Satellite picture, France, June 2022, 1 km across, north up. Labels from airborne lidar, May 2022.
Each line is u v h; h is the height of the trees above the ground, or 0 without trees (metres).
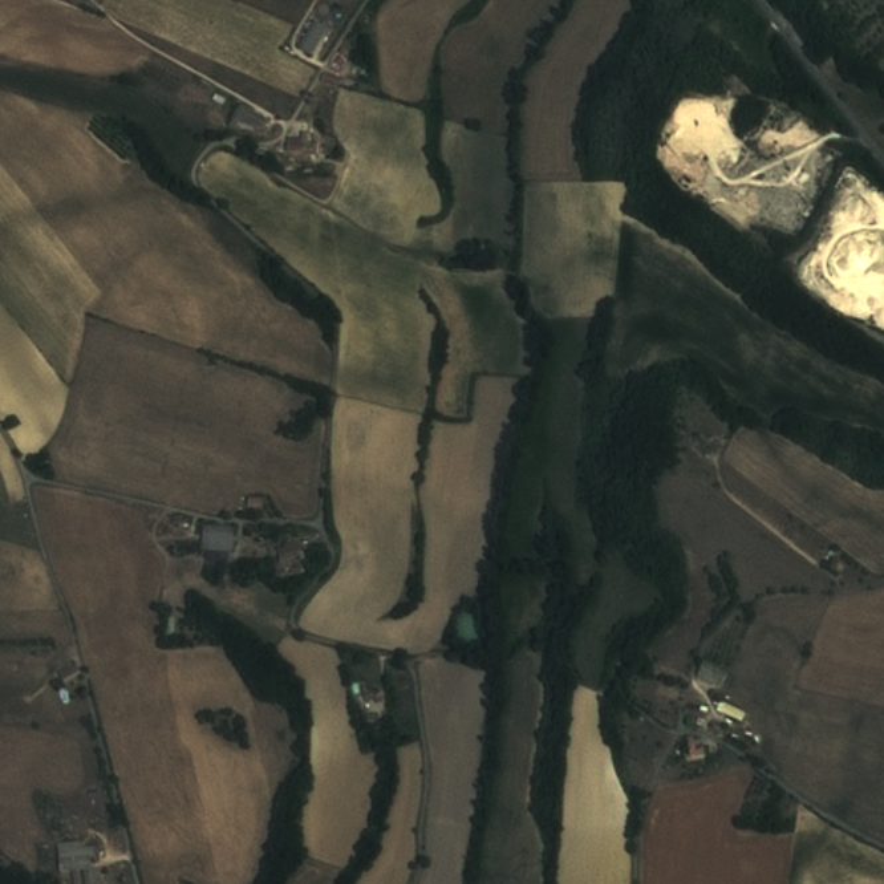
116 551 0
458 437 0
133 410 0
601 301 11
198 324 0
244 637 20
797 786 0
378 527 0
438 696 0
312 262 0
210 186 0
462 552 0
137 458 0
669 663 0
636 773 0
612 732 16
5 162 0
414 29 0
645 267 0
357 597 0
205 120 0
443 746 0
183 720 0
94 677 0
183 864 0
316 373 0
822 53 17
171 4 0
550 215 0
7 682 0
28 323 0
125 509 0
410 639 0
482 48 0
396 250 0
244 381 0
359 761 0
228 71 0
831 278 0
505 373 0
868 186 0
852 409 0
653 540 9
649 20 11
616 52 17
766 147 0
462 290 0
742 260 9
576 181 0
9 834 0
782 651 0
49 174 0
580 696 0
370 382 0
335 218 0
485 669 22
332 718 0
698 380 14
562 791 10
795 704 0
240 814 0
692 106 0
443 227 0
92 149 0
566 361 0
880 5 7
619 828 0
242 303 0
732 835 0
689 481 0
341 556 0
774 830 14
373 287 0
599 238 0
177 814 0
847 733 0
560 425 0
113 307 0
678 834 0
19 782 0
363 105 0
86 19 0
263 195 0
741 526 0
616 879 0
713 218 8
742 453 0
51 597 0
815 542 0
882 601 0
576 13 0
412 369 0
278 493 0
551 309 0
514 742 0
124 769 0
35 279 0
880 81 15
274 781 0
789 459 0
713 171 0
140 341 0
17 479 0
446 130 0
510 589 0
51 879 7
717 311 0
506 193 0
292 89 0
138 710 0
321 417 8
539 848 0
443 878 0
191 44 0
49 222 0
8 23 0
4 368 0
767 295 15
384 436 0
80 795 0
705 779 0
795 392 0
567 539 6
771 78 13
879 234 0
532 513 0
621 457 21
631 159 10
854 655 0
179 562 0
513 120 15
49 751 0
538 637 19
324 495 12
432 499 0
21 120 0
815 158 0
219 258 0
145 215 0
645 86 10
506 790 0
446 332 13
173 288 0
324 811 0
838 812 0
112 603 0
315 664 0
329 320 16
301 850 19
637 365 0
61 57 0
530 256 0
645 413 22
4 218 0
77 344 0
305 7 0
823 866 0
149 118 0
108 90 0
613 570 0
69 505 0
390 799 17
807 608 0
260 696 14
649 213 10
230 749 0
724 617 8
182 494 0
